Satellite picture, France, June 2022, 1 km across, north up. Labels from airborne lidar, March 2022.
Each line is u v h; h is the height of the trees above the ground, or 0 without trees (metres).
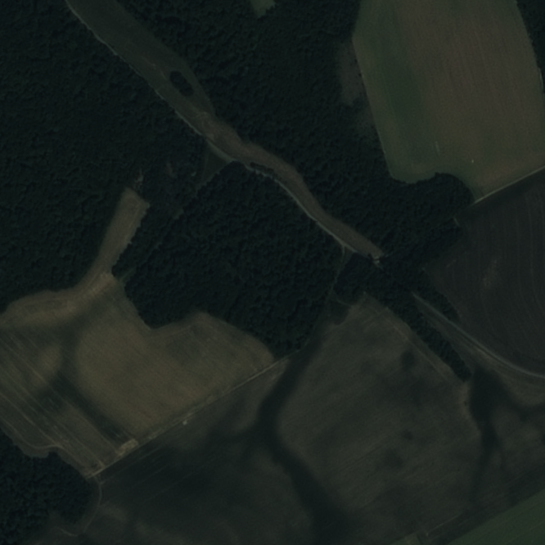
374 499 0
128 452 0
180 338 0
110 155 18
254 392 0
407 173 0
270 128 25
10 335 0
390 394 0
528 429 0
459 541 0
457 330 0
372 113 0
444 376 0
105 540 0
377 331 0
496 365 0
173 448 0
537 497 0
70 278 15
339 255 21
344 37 16
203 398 0
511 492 0
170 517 0
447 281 0
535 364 0
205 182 0
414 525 0
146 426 0
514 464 0
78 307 0
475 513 0
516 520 0
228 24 17
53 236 18
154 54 0
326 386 0
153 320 16
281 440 0
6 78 17
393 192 17
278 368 0
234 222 21
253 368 0
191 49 28
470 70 0
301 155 25
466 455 0
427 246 17
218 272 22
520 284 0
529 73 0
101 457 0
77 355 0
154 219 13
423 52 0
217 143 0
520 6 12
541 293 0
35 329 0
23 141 20
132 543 0
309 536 0
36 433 0
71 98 19
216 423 0
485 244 0
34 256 19
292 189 0
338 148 15
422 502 0
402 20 0
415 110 0
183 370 0
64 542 0
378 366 0
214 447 0
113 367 0
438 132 0
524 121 0
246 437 0
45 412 0
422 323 16
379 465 0
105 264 0
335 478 0
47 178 19
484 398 0
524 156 0
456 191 16
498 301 0
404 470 0
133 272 0
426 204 19
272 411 0
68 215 18
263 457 0
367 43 0
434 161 0
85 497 17
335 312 0
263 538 0
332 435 0
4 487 25
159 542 0
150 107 23
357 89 0
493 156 0
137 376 0
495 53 0
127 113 22
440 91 0
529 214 0
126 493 0
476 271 0
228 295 14
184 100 0
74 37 21
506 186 0
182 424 0
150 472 0
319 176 21
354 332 0
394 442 0
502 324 0
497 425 0
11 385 0
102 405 0
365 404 0
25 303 0
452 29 0
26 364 0
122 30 0
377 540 0
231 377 0
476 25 0
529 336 0
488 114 0
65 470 21
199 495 0
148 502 0
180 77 21
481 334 0
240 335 0
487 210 0
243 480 0
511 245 0
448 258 0
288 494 0
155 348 0
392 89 0
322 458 0
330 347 0
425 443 0
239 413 0
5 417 0
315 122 14
